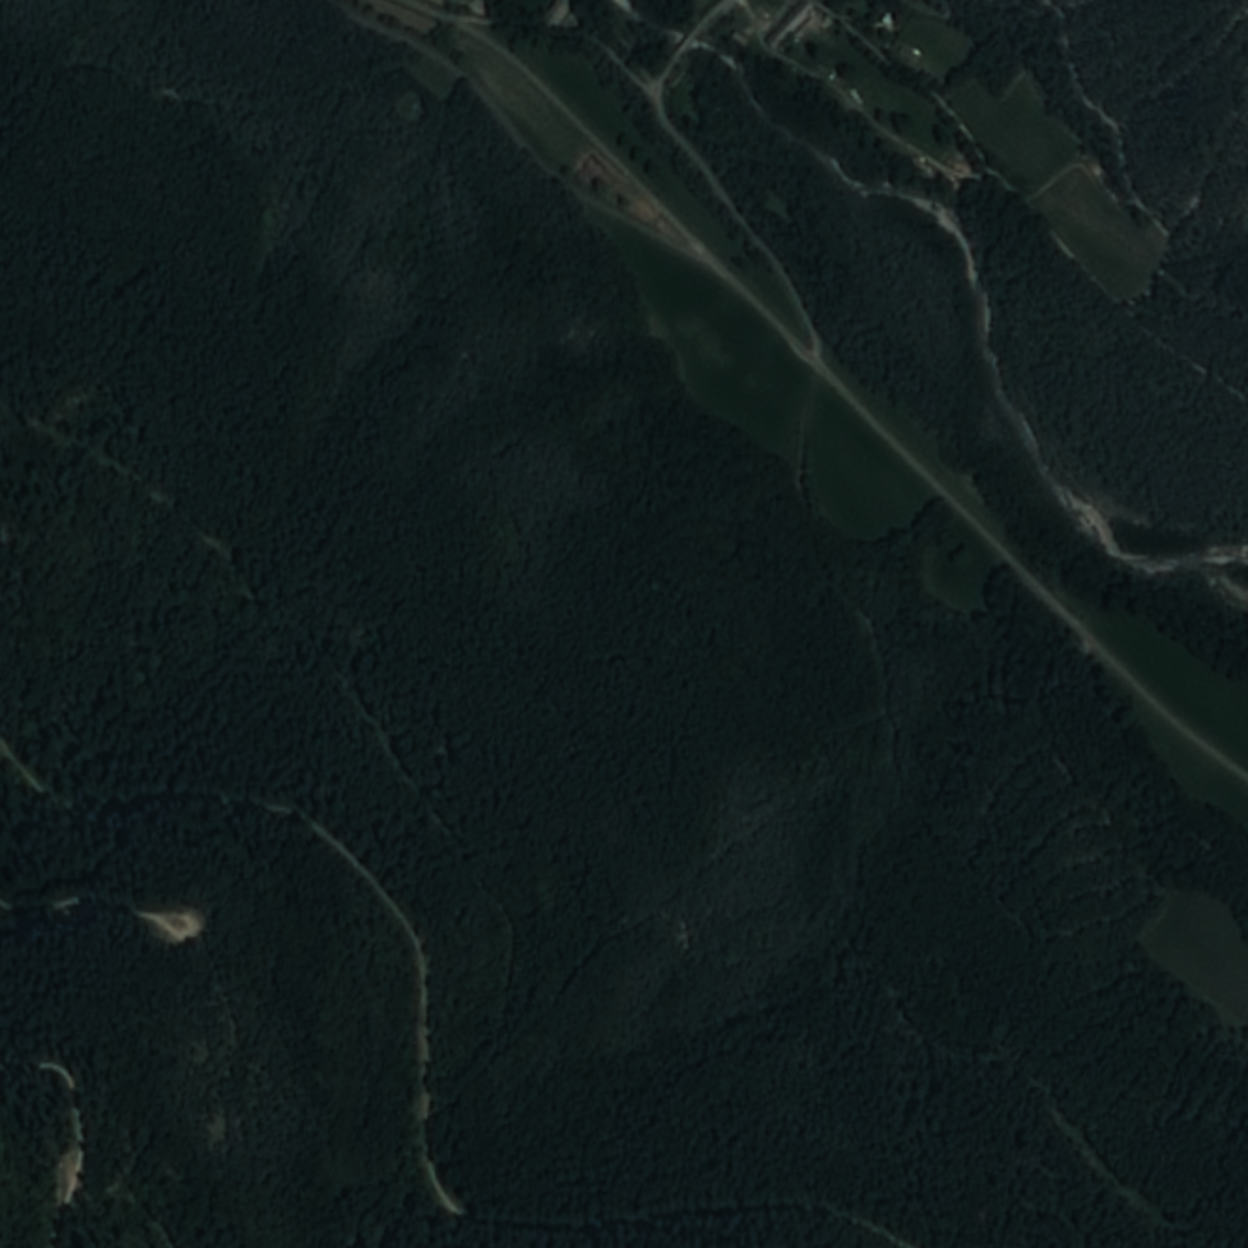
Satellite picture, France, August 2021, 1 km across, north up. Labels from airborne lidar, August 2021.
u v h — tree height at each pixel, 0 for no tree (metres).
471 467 13
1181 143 15
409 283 12
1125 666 0
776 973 15
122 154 22
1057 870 18
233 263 21
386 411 26
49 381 21
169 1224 26
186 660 19
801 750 14
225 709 27
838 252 8
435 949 8
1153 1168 26
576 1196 29
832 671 26
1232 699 0
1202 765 0
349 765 26
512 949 10
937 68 0
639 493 22
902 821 15
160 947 15
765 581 23
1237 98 11
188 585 24
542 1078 18
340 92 7
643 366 20
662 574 23
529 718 24
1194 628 25
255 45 17
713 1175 27
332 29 22
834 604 17
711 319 0
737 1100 22
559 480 11
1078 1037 22
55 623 17
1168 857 30
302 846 26
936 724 21
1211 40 13
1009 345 7
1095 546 7
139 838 34
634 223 0
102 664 25
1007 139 0
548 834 25
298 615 23
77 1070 21
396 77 11
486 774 21
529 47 8
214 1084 11
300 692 26
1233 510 10
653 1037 15
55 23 11
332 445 29
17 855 16
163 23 15
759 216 12
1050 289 12
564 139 0
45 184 21
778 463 19
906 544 22
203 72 11
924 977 12
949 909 14
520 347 12
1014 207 15
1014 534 14
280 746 27
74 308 26
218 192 24
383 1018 10
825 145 8
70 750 8
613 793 23
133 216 20
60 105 20
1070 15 16
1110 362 9
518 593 14
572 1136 22
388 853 26
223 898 17
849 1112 24
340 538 23
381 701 23
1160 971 12
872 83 0
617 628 24
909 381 13
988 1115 29
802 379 0
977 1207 29
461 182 11
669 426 25
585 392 19
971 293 11
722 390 0
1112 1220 23
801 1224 22
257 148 11
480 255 16
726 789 8
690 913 9
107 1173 26
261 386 23
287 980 16
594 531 25
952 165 0
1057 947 15
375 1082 15
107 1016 20
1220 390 9
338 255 8
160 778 28
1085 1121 24
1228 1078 16
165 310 28
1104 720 26
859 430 0
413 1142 21
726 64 11
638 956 12
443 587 16
